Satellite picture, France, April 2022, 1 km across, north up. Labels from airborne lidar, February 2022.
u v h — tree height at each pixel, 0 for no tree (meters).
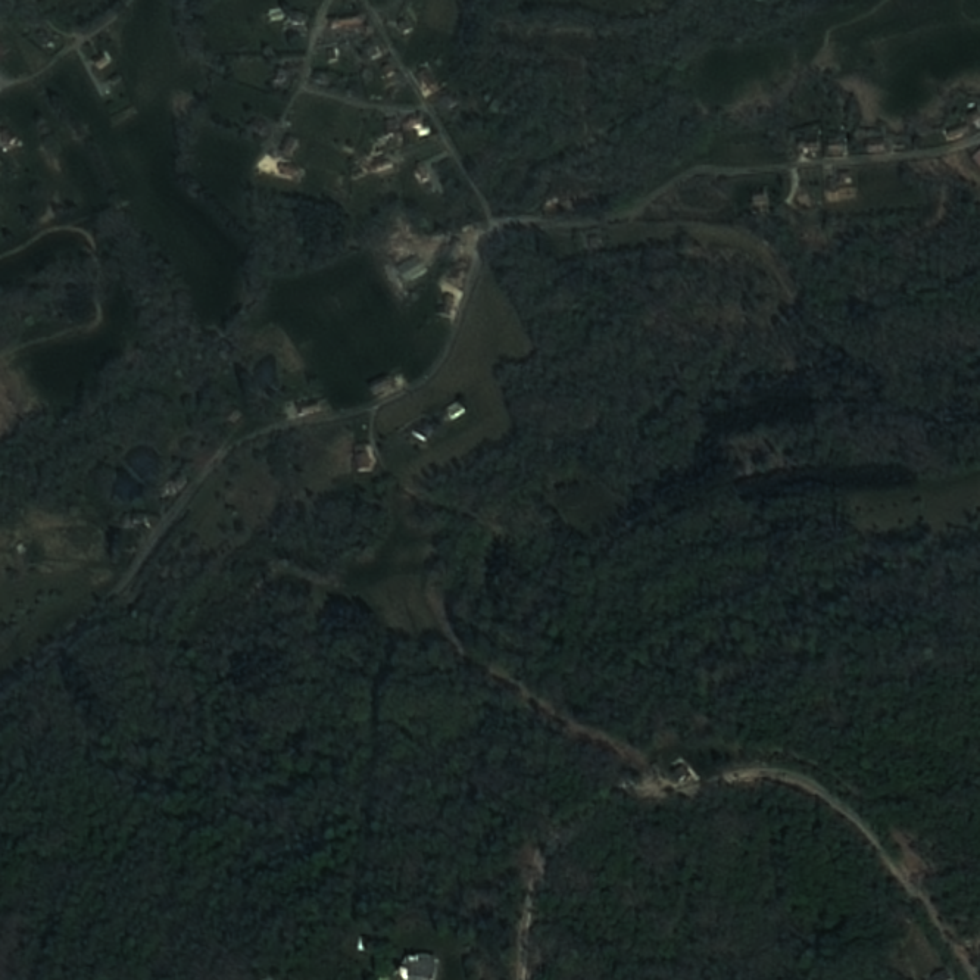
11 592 0
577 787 20
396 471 0
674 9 17
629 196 16
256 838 8
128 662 23
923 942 0
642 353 25
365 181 0
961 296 25
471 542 24
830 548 23
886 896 30
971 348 25
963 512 0
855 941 20
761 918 21
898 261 21
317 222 19
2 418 0
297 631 25
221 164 0
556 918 19
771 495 12
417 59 0
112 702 28
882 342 27
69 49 0
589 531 0
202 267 0
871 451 32
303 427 0
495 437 0
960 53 0
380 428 0
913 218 7
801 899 24
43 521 0
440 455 0
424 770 26
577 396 24
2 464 21
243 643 21
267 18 0
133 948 27
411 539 0
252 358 0
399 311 0
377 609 0
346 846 14
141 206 0
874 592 25
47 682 20
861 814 19
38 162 0
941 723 21
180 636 15
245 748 30
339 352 0
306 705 28
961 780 11
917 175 23
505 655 28
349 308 0
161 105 0
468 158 0
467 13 21
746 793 21
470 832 27
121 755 10
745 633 26
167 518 0
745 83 0
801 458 20
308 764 28
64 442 21
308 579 22
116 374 22
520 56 24
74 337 0
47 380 0
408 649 25
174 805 28
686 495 29
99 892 21
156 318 20
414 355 0
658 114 20
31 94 0
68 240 0
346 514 25
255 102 0
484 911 9
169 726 21
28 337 0
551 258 14
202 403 16
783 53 0
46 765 26
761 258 0
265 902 20
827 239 24
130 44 0
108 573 0
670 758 0
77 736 26
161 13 0
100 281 24
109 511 0
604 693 20
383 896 24
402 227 0
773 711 18
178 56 0
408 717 33
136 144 0
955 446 21
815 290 23
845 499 20
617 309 14
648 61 24
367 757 26
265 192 8
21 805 27
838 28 0
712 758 0
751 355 21
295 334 0
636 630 18
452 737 30
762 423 15
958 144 0
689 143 24
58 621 0
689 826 23
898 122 0
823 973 22
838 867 21
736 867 23
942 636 19
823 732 22
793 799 27
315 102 0
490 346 0
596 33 28
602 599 25
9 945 31
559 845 20
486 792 26
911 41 0
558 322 14
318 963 15
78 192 0
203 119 20
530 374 18
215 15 0
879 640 23
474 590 21
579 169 24
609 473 24
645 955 30
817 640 26
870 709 14
